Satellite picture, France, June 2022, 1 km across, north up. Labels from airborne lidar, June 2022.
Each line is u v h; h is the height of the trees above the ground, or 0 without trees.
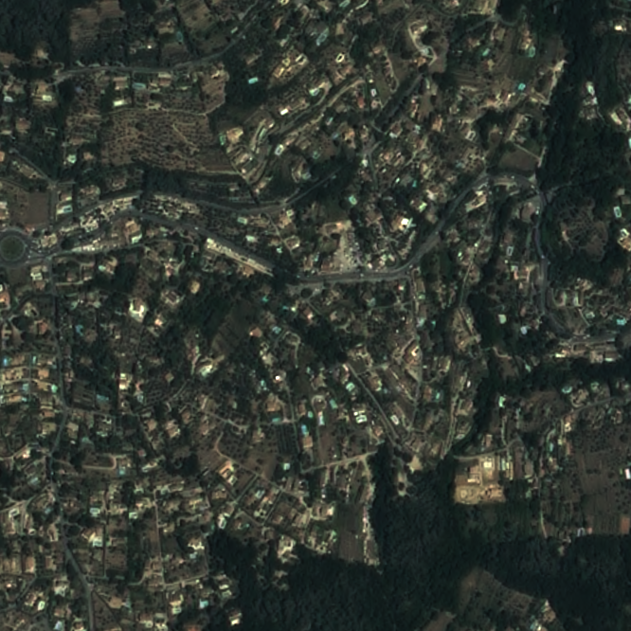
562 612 18
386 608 15
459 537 15
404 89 9
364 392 6
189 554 13
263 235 6
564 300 0
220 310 9
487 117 9
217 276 7
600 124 12
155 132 5
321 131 8
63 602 12
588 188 19
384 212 6
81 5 15
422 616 10
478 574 0
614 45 16
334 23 9
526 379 9
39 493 9
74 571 12
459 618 7
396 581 14
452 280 6
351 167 12
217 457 0
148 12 14
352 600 18
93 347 6
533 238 6
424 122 6
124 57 7
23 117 7
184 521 10
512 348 20
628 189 12
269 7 7
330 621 19
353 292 6
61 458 17
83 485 7
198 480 7
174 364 16
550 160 21
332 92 11
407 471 12
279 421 0
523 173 7
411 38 0
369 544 0
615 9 8
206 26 0
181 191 15
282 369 7
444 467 14
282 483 7
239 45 6
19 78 17
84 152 9
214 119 6
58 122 8
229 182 8
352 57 10
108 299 7
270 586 13
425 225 6
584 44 22
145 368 13
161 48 9
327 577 14
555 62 7
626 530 0
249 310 0
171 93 7
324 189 17
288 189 8
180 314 7
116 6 0
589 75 16
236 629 17
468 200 6
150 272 0
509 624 9
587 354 8
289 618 22
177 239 12
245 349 6
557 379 7
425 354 6
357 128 18
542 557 29
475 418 9
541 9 12
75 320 6
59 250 0
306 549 11
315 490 10
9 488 6
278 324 6
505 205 11
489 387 10
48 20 23
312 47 8
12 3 19
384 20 8
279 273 14
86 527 12
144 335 5
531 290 7
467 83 0
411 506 20
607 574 25
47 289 11
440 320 14
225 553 14
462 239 6
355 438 8
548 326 18
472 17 9
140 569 8
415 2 12
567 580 18
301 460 13
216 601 9
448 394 6
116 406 7
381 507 15
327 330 12
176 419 10
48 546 10
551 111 16
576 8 20
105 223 8
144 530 6
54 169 7
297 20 21
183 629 11
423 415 5
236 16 10
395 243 6
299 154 8
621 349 10
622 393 14
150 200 6
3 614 6
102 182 13
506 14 14
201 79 7
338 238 11
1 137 7
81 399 0
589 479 0
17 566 0
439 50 7
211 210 9
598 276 15
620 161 12
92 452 18
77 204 7
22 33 25
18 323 24
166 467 10
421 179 8
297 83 7
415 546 21
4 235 0
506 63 0
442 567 15
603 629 18
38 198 0
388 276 0
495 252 13
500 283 10
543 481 5
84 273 0
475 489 0
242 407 9
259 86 7
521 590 14
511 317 6
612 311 8
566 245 7
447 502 13
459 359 7
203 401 0
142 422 6
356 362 0
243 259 7
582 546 13
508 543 14
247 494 7
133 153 7
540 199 0
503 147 9
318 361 9
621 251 19
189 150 7
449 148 7
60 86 9
